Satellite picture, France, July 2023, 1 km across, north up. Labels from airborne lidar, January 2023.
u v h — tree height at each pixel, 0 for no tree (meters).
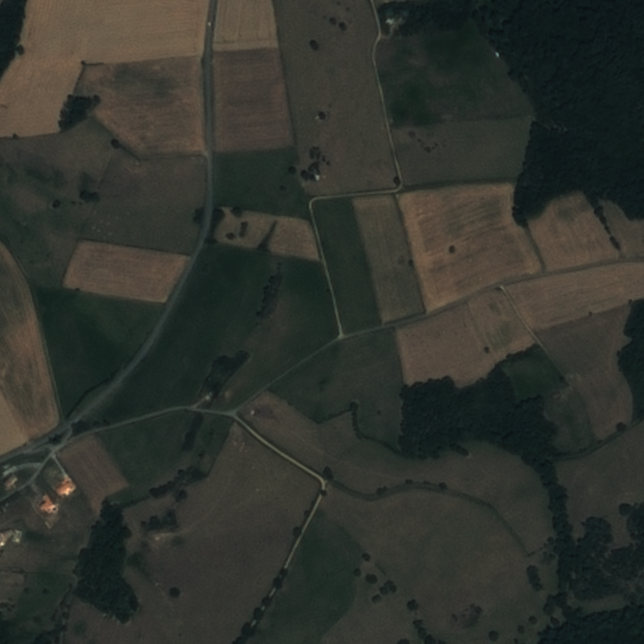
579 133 14
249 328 0
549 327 0
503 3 23
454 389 9
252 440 0
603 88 7
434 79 0
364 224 0
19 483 0
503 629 0
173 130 0
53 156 0
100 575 12
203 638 0
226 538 0
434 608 0
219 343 0
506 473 0
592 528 14
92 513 0
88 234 0
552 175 18
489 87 0
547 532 0
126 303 0
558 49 19
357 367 0
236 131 0
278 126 0
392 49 0
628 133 9
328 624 0
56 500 0
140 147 0
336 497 0
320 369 0
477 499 0
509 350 0
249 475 0
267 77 0
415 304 0
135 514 0
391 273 0
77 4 0
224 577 0
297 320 0
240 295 0
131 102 0
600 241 0
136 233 0
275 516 0
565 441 0
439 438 16
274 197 0
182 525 0
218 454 0
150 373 0
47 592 7
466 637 0
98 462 0
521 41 19
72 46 0
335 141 0
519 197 14
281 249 0
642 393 7
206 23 0
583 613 16
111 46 0
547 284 0
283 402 0
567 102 7
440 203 0
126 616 11
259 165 0
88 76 0
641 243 0
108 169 0
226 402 0
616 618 17
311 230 0
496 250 0
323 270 0
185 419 0
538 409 14
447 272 0
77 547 0
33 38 0
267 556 0
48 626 0
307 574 0
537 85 0
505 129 0
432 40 0
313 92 0
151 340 0
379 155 0
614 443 0
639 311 7
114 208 0
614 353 0
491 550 0
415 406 10
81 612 0
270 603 13
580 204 0
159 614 0
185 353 0
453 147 0
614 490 0
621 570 10
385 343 0
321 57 0
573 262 0
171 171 0
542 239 0
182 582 0
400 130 0
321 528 0
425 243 0
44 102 0
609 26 19
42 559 0
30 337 0
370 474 0
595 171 17
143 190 0
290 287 0
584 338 0
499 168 0
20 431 0
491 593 0
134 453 0
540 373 0
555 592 0
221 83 0
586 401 0
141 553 0
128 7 0
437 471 0
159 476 0
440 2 8
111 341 0
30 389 0
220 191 0
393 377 0
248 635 16
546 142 13
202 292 0
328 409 0
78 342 0
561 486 16
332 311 0
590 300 0
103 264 0
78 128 0
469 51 0
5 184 0
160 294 0
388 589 7
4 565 0
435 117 0
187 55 0
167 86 0
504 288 0
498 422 13
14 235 0
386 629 0
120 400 0
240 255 0
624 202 15
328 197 0
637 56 14
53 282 0
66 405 0
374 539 0
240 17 0
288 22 0
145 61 0
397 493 0
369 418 0
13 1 14
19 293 0
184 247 0
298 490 0
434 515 0
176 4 0
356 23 0
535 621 13
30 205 0
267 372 0
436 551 0
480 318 0
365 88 0
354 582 0
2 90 0
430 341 0
